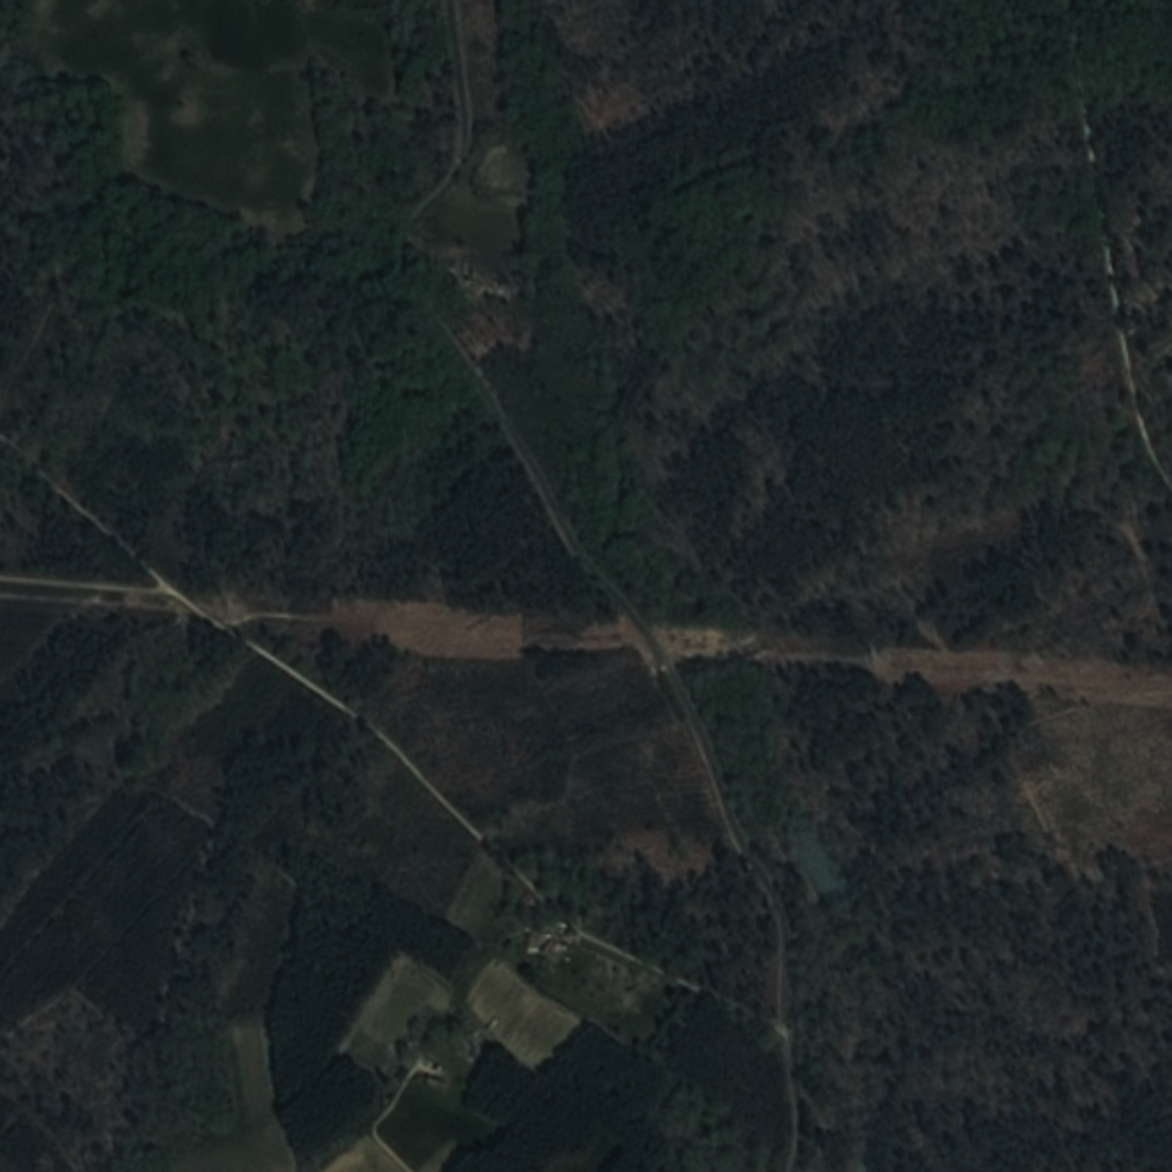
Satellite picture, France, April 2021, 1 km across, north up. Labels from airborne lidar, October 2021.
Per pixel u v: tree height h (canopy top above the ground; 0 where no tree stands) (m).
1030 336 18
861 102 18
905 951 22
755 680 28
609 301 10
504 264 12
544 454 14
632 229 16
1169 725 0
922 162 17
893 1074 24
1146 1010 12
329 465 14
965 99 19
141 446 15
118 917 8
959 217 10
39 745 12
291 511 6
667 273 26
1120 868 25
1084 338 9
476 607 17
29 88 11
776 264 19
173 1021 11
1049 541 25
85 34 0
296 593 13
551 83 20
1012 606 19
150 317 19
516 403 15
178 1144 16
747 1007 15
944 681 0
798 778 10
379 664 25
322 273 21
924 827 19
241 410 16
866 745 27
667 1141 18
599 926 14
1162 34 18
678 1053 19
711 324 22
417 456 16
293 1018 20
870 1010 20
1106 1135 22
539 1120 20
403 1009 0
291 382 19
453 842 6
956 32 19
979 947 21
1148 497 13
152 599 0
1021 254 15
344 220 23
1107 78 18
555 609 21
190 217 22
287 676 5
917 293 12
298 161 0
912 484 19
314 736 7
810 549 20
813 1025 12
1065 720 0
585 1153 20
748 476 22
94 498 18
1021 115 24
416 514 16
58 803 19
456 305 14
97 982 9
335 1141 19
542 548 19
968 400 11
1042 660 0
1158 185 7
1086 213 15
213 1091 23
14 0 17
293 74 0
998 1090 9
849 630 19
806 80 20
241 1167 0
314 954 18
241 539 20
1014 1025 6
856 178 16
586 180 22
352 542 6
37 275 14
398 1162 0
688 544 18
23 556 7
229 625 0
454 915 0
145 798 9
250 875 14
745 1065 15
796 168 18
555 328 15
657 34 14
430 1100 0
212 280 25
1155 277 17
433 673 10
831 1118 17
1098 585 8
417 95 10
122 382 14
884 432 21
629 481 19
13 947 8
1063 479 15
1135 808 0
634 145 17
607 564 22
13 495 24
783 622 12
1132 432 8
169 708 17
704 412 17
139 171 0
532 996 0
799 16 19
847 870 12
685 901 19
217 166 0
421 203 12
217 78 0
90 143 18
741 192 21
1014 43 21
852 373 19
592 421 16
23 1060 9
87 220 19
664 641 0
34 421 13
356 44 0
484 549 19
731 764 18
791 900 24
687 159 19
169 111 0
